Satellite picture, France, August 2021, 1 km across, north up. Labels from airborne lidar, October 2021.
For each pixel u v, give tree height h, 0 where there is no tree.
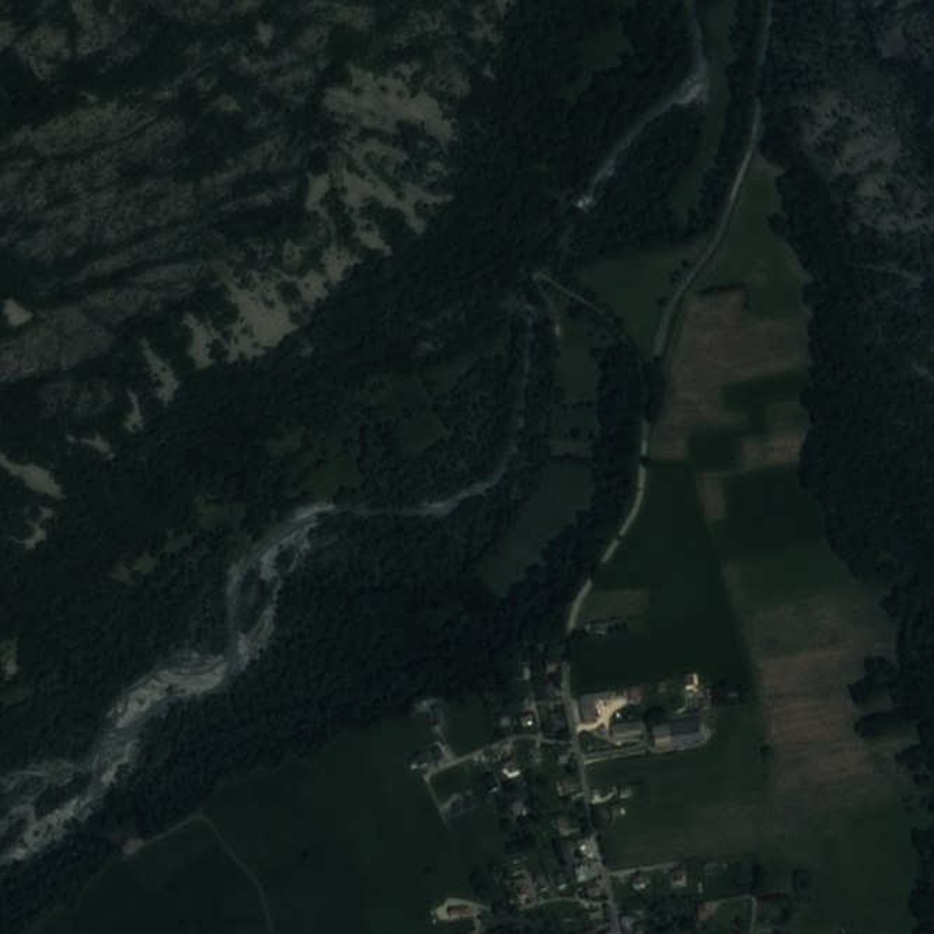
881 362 7
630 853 0
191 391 12
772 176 0
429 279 20
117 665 11
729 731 0
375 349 17
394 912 0
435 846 0
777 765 0
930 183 5
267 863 0
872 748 0
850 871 0
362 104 0
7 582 17
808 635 0
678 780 0
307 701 13
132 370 12
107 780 0
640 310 0
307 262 7
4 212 7
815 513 0
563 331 0
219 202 10
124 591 10
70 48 8
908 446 9
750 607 0
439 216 7
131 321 16
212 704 13
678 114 9
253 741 22
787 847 0
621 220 21
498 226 28
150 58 16
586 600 0
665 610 0
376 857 0
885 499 13
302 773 0
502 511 14
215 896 0
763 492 0
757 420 0
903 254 7
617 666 0
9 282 11
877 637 0
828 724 0
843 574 0
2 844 7
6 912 20
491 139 12
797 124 11
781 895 8
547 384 12
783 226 18
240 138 11
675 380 0
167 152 7
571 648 14
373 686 29
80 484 14
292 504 12
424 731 0
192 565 9
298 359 10
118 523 20
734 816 0
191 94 14
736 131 23
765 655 0
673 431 0
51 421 11
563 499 0
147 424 9
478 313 14
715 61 0
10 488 13
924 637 17
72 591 20
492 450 14
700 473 0
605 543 20
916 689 18
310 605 10
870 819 0
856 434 11
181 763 18
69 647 13
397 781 0
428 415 0
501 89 20
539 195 13
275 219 11
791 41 8
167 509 26
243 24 10
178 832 0
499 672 7
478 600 11
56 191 6
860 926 0
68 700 13
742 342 0
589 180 7
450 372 0
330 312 19
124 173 9
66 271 9
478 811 0
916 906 20
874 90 0
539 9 23
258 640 0
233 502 12
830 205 7
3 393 15
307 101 8
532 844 7
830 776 0
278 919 0
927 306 7
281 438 8
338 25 8
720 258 0
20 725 13
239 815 0
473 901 0
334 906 0
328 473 0
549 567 8
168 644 9
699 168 0
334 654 16
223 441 14
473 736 0
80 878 20
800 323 0
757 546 0
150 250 9
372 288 19
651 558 0
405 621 27
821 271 20
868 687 15
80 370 18
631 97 8
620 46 0
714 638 0
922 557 17
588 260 15
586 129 19
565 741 11
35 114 7
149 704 0
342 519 10
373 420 6
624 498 16
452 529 13
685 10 21
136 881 0
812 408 23
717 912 0
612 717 0
